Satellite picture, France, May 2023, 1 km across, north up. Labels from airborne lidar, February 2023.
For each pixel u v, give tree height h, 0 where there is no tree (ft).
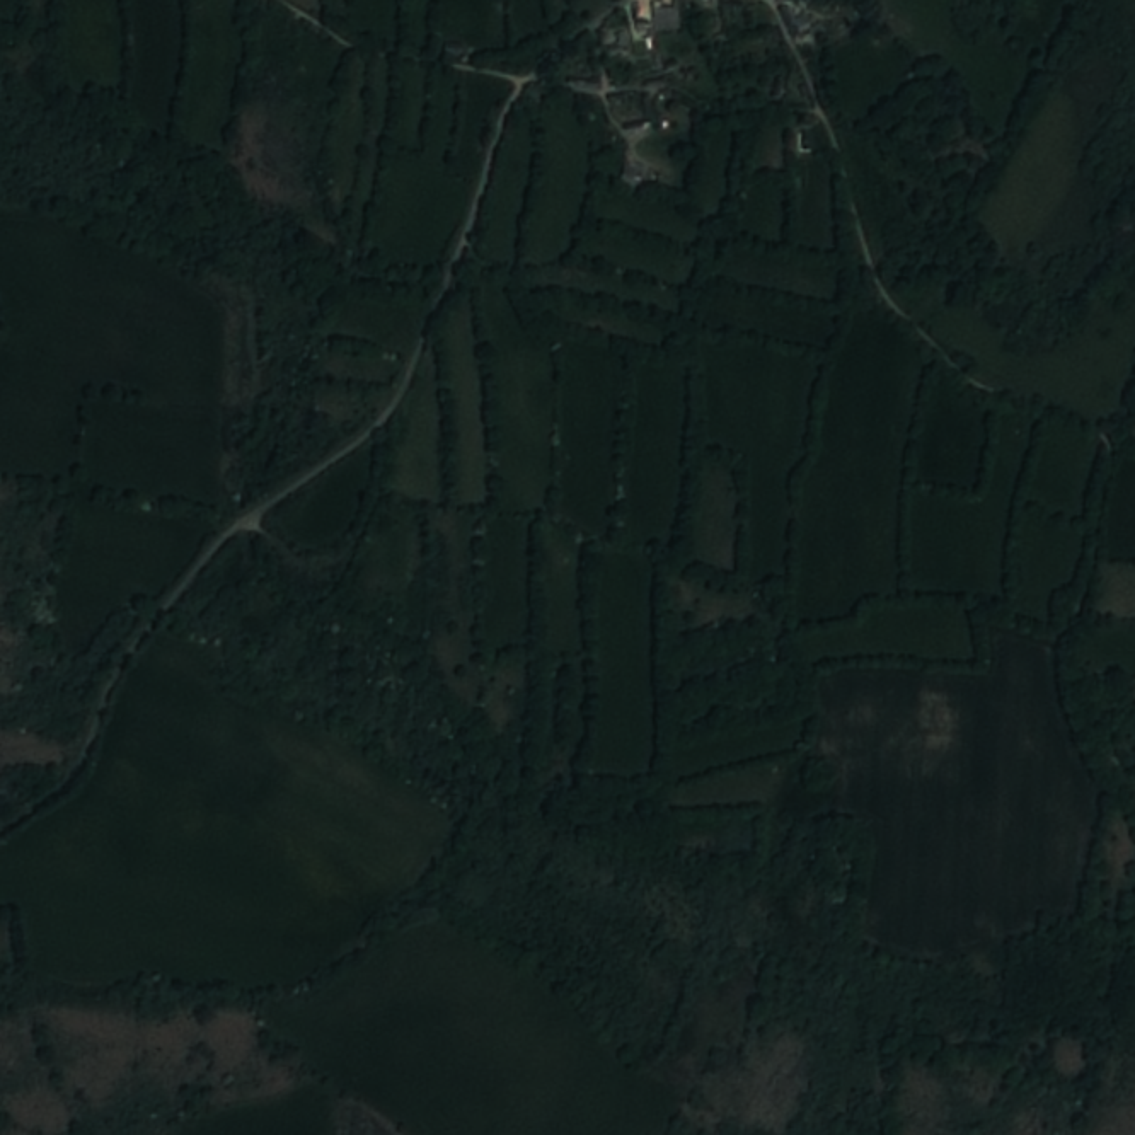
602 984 26
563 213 0
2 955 0
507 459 0
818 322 0
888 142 57
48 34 32
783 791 0
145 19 0
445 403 40
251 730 0
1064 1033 36
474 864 24
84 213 55
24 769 30
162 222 45
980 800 0
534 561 45
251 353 0
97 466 0
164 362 0
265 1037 29
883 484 0
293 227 27
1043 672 0
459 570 0
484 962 0
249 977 0
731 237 33
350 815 0
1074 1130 24
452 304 48
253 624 0
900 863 0
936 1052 48
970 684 0
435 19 29
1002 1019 27
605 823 55
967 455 0
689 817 38
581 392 0
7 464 0
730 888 23
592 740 34
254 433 31
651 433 0
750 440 0
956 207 25
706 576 53
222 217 22
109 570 0
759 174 30
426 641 33
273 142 0
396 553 0
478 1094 0
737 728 48
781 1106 0
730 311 0
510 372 0
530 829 30
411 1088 0
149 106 0
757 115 58
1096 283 56
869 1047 22
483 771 55
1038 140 0
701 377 26
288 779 0
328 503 0
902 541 29
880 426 0
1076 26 51
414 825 0
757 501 0
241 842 0
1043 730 0
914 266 36
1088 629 41
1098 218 22
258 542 48
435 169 0
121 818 0
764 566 0
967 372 50
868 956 29
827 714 0
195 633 32
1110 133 21
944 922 0
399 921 39
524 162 0
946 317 0
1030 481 28
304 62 0
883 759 0
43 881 0
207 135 0
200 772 0
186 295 0
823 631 36
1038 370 0
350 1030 0
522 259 33
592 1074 0
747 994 0
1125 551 0
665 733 45
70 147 40
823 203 0
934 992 23
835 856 36
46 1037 35
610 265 24
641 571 0
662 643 48
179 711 0
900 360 0
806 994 31
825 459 0
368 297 44
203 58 0
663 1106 0
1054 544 0
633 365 45
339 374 0
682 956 26
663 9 0
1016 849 0
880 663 28
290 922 0
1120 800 59
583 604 38
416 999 0
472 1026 0
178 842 0
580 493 0
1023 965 29
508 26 24
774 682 50
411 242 0
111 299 0
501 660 34
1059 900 0
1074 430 34
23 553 23
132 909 0
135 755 0
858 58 0
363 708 23
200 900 0
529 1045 0
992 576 0
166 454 0
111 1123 20
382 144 39
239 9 24
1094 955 24
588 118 20
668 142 0
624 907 24
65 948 0
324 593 29
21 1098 0
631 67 22
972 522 0
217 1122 0
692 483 50
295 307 0
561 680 45
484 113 0
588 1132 0
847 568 0
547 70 65
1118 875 0
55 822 0
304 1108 0
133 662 31
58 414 0
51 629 19
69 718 35
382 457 43
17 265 0
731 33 28
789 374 0
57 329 0
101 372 0
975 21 26
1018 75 0
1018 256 0
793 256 38
